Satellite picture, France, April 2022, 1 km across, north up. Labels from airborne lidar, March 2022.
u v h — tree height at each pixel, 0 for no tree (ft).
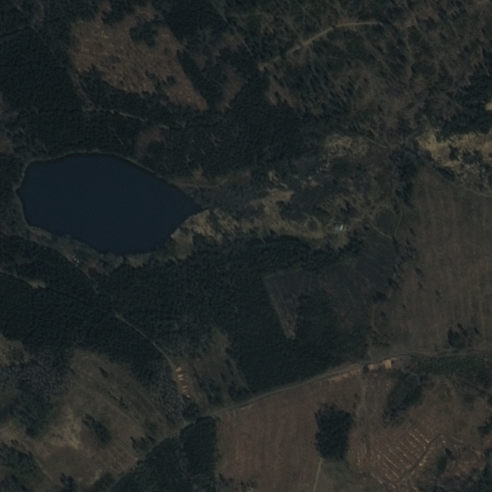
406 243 0
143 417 0
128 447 0
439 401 0
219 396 93
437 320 0
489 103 22
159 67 41
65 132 73
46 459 0
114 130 60
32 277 45
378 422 0
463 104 68
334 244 74
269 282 0
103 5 43
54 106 70
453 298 0
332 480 0
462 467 0
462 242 0
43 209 0
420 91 60
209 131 74
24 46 72
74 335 65
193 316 79
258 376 41
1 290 41
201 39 76
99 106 54
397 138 0
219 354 0
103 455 0
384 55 93
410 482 0
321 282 0
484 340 0
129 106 57
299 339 25
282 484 0
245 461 0
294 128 56
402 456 0
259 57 77
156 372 36
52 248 68
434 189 0
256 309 53
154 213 0
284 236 0
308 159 67
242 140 71
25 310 44
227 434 0
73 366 62
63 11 62
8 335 32
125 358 52
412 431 0
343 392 0
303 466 0
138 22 60
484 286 0
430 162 71
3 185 63
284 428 0
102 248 0
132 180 0
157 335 69
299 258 76
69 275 59
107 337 54
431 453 0
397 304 0
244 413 0
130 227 0
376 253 0
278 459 0
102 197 0
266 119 64
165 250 84
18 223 30
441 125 58
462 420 0
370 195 0
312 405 0
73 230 0
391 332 0
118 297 37
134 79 72
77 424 0
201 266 44
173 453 23
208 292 73
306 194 28
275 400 0
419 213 0
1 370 54
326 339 21
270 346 34
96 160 0
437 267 0
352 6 19
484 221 0
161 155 68
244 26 44
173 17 55
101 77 66
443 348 0
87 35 65
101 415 0
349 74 0
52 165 0
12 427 0
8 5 43
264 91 77
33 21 51
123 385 0
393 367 0
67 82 73
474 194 0
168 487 25
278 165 66
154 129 63
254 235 56
